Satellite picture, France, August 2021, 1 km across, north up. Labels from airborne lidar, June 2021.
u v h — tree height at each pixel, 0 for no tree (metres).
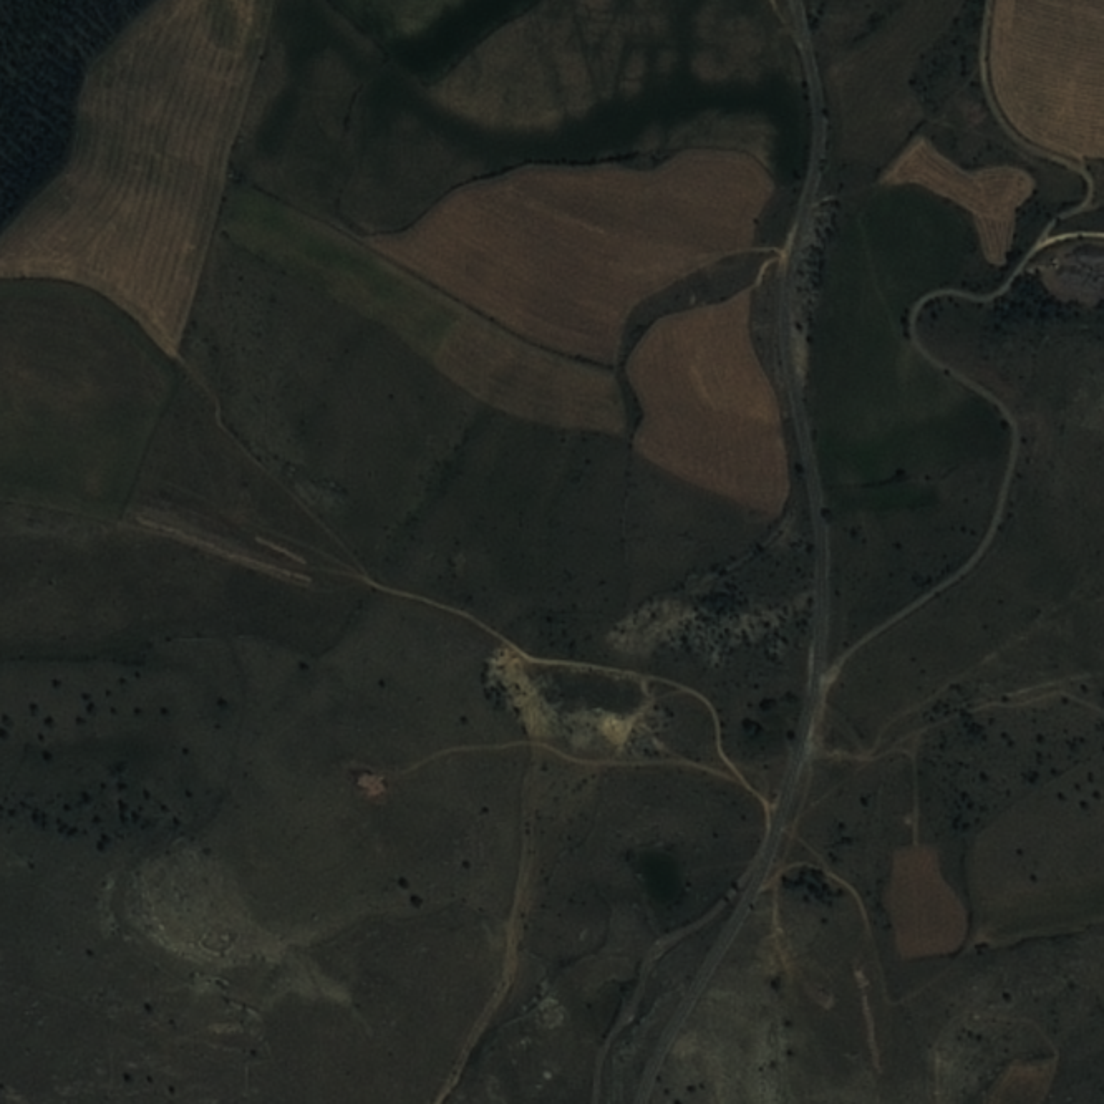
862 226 0
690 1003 0
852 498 0
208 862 0
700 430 0
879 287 0
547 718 0
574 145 0
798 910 0
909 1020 0
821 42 0
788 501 0
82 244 0
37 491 0
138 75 0
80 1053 0
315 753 0
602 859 0
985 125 0
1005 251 0
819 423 0
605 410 0
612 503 0
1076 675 0
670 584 0
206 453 0
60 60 15
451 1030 0
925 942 0
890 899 0
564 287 0
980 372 0
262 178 0
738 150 0
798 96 0
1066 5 0
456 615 0
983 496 0
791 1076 0
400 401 0
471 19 0
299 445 0
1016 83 0
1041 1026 0
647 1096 0
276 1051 0
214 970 0
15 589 0
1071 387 0
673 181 0
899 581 0
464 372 0
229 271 0
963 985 0
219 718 0
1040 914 0
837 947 0
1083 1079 0
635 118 0
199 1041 0
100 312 0
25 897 0
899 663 0
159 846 0
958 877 0
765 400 0
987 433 0
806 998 0
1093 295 0
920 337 0
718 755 0
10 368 0
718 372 0
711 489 0
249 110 0
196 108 0
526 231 0
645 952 0
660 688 0
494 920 0
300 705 0
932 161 0
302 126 0
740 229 0
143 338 0
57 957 0
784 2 0
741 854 0
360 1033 0
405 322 0
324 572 0
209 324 0
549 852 0
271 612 0
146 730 0
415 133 0
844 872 0
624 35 0
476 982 0
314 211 0
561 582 0
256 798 0
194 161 0
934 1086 0
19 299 0
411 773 0
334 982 0
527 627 0
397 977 0
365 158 0
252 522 0
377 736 0
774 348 0
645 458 0
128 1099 0
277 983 0
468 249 0
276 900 0
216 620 0
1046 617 0
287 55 0
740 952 0
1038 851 0
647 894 0
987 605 0
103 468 0
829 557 0
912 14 0
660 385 0
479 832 0
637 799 0
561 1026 0
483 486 0
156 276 0
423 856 0
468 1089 0
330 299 0
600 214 0
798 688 0
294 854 0
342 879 0
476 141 0
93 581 0
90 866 0
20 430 0
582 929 0
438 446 0
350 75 0
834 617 0
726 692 0
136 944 0
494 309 0
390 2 0
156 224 0
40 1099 0
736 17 0
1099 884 0
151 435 0
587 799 0
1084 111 0
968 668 0
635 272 0
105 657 0
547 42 0
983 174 0
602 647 0
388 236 0
